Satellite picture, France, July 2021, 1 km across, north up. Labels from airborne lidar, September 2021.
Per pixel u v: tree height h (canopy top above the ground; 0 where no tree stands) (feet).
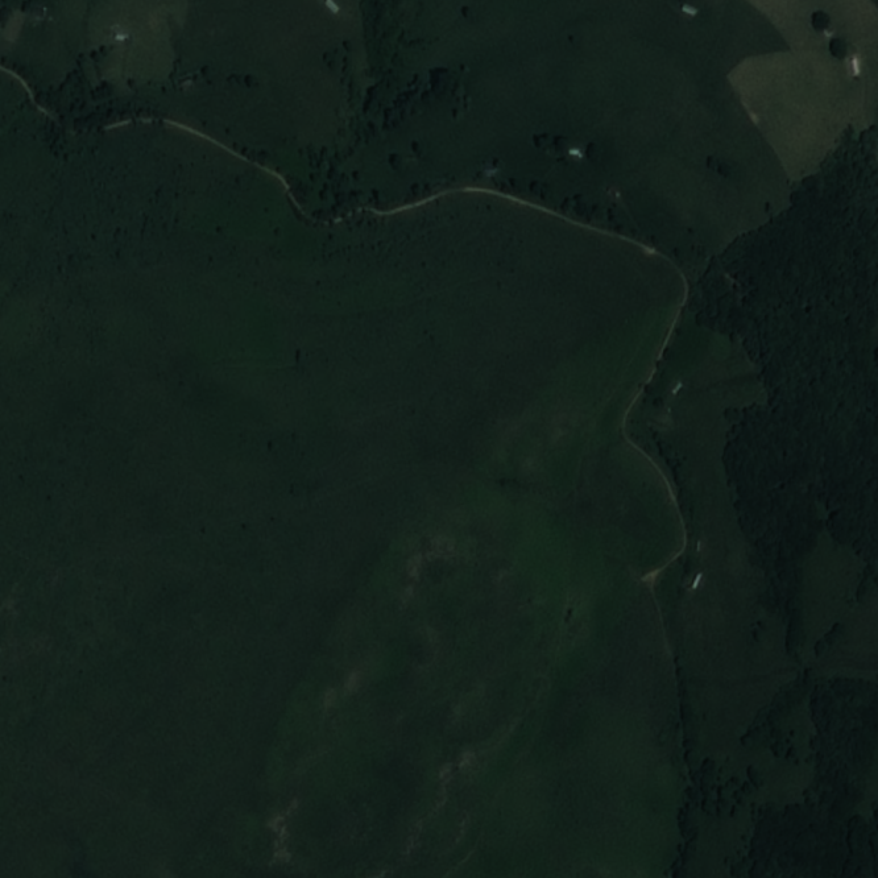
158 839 0
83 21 0
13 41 0
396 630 0
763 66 0
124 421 0
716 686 0
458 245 0
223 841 0
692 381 0
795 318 101
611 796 0
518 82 0
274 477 0
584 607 0
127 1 0
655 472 0
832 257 80
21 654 0
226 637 0
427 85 40
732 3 0
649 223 0
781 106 0
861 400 95
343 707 0
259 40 0
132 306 0
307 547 0
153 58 0
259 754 0
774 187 0
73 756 0
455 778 0
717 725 0
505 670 0
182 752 0
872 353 44
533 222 0
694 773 37
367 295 0
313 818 0
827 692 74
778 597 43
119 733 0
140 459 0
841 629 53
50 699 0
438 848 0
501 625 0
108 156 0
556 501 0
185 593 0
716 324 64
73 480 0
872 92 0
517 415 0
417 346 0
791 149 0
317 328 0
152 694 0
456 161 0
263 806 0
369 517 0
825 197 62
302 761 0
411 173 0
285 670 0
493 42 0
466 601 0
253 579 0
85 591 0
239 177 24
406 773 0
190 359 0
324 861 0
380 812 0
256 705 0
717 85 0
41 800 0
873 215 73
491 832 0
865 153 29
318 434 0
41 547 0
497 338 0
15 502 0
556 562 0
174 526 0
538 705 0
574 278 0
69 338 0
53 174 19
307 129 0
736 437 39
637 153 0
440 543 0
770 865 86
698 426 0
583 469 0
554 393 0
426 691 0
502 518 0
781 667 0
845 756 98
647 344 0
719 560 0
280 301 0
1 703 0
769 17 0
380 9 58
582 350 0
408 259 0
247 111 0
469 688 0
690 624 0
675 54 0
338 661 0
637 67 0
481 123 0
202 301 0
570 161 31
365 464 0
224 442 0
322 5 0
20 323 0
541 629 0
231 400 0
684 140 0
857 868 68
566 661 0
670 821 0
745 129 0
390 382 0
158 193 30
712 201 0
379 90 41
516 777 0
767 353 84
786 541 69
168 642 0
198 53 0
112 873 0
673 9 0
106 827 0
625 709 0
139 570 0
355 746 0
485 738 0
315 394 0
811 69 0
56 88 33
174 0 0
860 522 80
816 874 92
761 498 78
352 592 0
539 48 0
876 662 0
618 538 0
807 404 113
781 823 71
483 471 0
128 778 0
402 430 0
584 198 42
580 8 0
